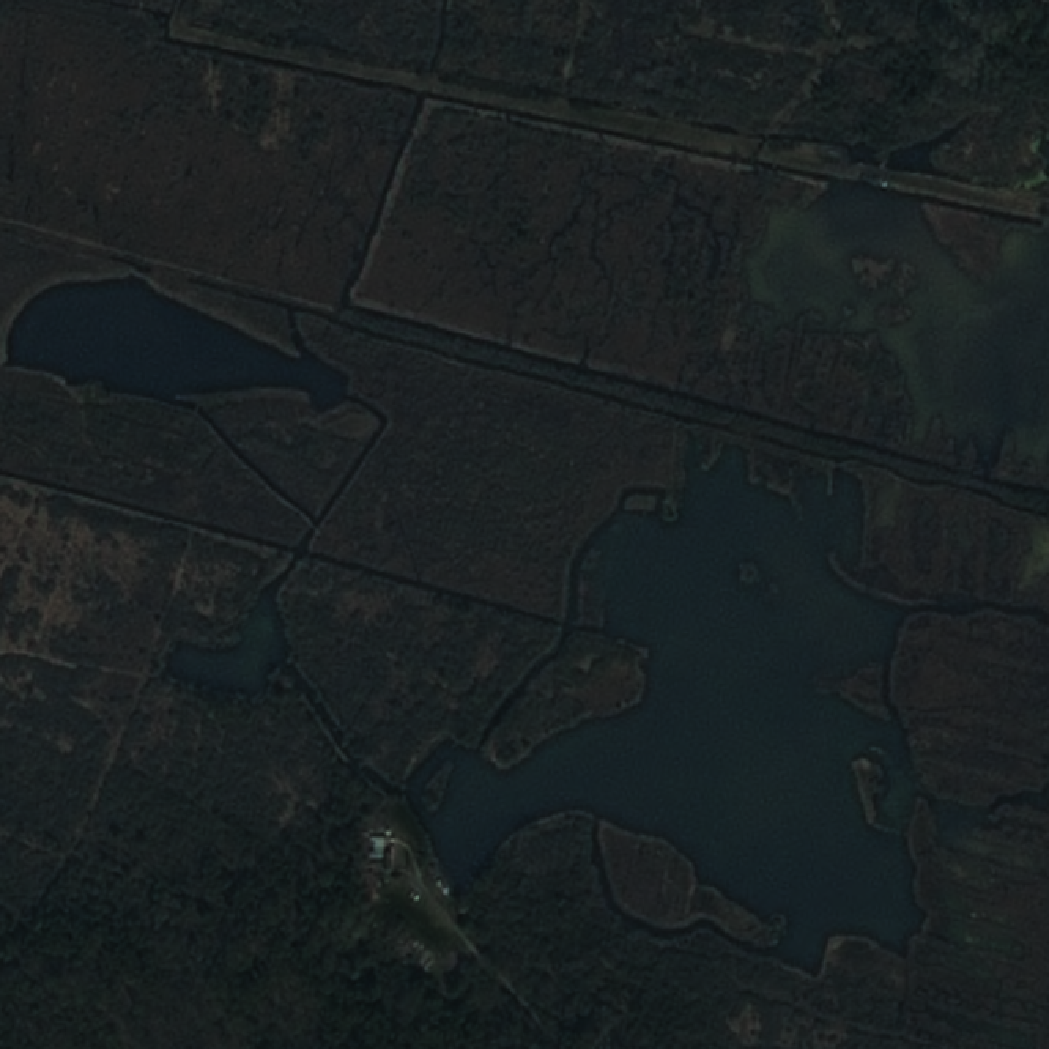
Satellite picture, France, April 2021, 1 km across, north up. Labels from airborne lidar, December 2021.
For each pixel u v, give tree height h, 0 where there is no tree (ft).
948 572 0
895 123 18
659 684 0
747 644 0
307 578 40
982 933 0
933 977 0
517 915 28
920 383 0
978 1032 0
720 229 0
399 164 0
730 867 0
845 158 70
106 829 23
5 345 0
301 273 0
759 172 20
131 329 0
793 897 0
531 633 19
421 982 66
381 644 19
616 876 0
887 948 0
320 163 0
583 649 22
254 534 0
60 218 0
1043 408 0
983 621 0
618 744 0
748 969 24
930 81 43
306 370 0
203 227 0
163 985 55
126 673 0
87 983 79
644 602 0
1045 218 39
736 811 0
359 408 0
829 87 49
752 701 0
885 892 0
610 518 0
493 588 0
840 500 0
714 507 0
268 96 21
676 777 0
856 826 0
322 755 20
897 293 0
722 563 0
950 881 0
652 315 0
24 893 23
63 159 0
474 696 34
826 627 0
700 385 0
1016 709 0
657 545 0
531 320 0
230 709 43
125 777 17
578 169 0
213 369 0
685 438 0
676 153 0
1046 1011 0
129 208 0
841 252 0
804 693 0
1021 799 0
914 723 0
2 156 0
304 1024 59
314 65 34
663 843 0
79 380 0
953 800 0
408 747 22
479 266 0
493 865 48
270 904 71
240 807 22
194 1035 50
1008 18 107
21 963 66
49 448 20
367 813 36
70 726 20
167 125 0
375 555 18
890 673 0
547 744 0
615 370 0
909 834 0
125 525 25
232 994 75
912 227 0
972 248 0
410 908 0
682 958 21
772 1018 20
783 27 27
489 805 0
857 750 0
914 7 30
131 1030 74
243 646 0
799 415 0
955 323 0
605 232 0
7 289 0
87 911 54
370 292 0
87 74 0
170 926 70
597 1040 90
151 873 19
